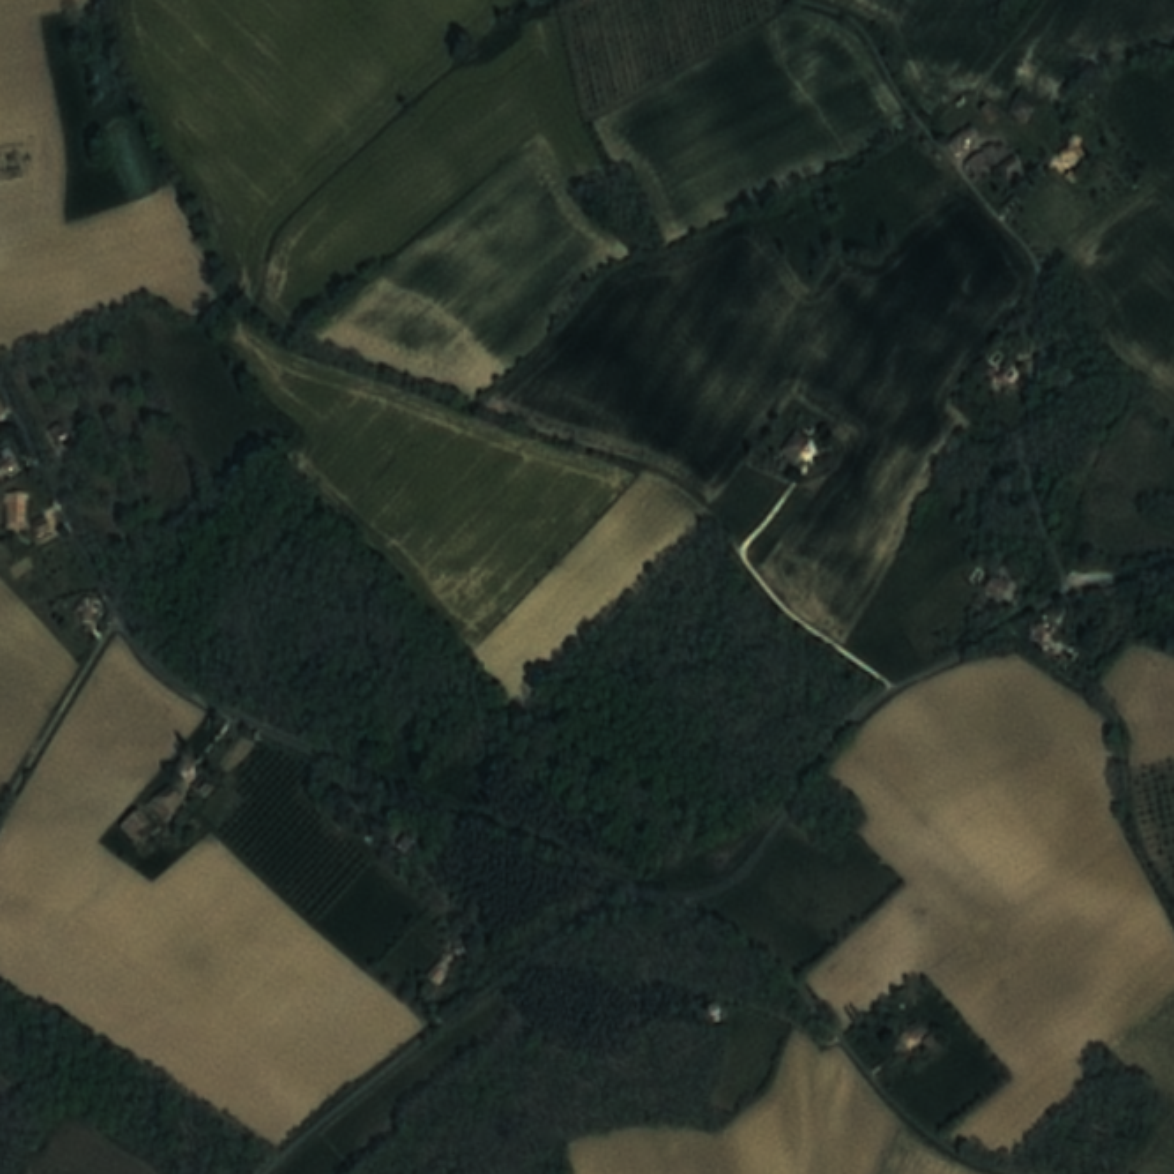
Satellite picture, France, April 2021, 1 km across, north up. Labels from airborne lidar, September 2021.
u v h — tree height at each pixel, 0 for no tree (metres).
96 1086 24
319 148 0
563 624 0
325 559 20
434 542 0
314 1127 0
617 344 0
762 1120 0
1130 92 0
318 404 0
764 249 0
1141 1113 23
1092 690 14
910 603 0
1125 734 15
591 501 0
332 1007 0
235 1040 0
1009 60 0
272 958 0
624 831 27
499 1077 21
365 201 0
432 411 0
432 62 0
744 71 0
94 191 0
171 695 0
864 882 0
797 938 0
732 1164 0
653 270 0
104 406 0
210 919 0
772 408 0
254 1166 15
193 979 0
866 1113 0
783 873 0
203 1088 0
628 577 0
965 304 0
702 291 0
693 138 0
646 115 0
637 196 11
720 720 19
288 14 0
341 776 22
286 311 0
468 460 0
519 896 19
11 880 0
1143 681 0
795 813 21
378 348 0
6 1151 16
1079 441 13
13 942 0
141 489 16
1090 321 19
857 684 16
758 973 18
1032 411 11
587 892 19
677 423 0
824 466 7
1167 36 0
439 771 22
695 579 11
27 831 0
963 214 0
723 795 23
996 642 15
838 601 0
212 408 0
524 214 0
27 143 0
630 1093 20
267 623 17
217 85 0
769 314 0
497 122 0
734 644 15
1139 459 0
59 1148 0
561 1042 12
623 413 0
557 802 20
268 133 0
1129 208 0
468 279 0
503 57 0
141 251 0
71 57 18
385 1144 15
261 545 22
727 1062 9
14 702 0
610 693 24
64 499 13
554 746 27
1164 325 0
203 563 24
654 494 0
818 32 0
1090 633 11
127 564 19
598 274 7
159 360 0
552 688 27
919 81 0
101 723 0
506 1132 19
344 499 0
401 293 0
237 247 0
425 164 0
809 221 0
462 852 17
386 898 0
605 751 30
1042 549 6
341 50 0
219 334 17
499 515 0
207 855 0
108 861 0
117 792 0
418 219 0
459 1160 20
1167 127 0
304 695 21
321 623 20
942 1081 0
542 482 0
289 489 22
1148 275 0
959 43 0
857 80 0
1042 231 0
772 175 0
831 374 0
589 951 17
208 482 16
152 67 0
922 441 0
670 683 20
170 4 0
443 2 0
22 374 13
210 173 0
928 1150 0
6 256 0
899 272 0
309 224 0
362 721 20
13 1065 16
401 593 18
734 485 0
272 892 0
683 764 27
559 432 0
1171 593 19
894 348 0
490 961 13
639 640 20
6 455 0
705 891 0
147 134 11
